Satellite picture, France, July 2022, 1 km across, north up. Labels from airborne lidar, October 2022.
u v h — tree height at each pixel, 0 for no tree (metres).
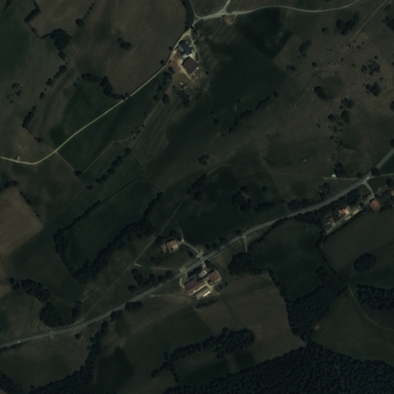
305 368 19
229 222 0
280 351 0
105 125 0
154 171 0
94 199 0
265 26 0
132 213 0
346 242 0
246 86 0
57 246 8
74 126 0
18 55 0
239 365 0
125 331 0
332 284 12
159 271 0
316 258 0
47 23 0
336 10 0
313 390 17
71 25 0
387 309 20
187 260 0
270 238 0
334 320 0
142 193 0
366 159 0
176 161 0
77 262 0
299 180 0
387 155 0
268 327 0
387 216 0
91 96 0
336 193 0
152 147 0
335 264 0
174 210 0
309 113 0
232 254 0
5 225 0
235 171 0
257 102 0
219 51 0
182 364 0
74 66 0
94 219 0
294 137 0
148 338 0
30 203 19
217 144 0
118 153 0
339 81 0
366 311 0
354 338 0
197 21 0
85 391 9
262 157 0
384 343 0
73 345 0
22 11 0
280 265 0
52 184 0
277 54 0
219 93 0
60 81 0
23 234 0
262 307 0
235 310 0
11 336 0
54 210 0
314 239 0
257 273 12
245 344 26
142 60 0
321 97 14
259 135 0
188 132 0
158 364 0
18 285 17
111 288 0
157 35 0
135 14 0
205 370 0
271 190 0
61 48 16
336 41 0
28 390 0
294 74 0
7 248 0
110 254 16
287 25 0
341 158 0
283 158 0
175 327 0
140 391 0
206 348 18
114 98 8
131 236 18
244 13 0
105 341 0
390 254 0
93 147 0
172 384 0
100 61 0
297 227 0
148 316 0
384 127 0
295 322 21
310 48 0
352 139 0
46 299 21
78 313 24
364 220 0
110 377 0
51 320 19
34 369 0
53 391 11
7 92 0
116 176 0
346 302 0
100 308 0
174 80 0
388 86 0
